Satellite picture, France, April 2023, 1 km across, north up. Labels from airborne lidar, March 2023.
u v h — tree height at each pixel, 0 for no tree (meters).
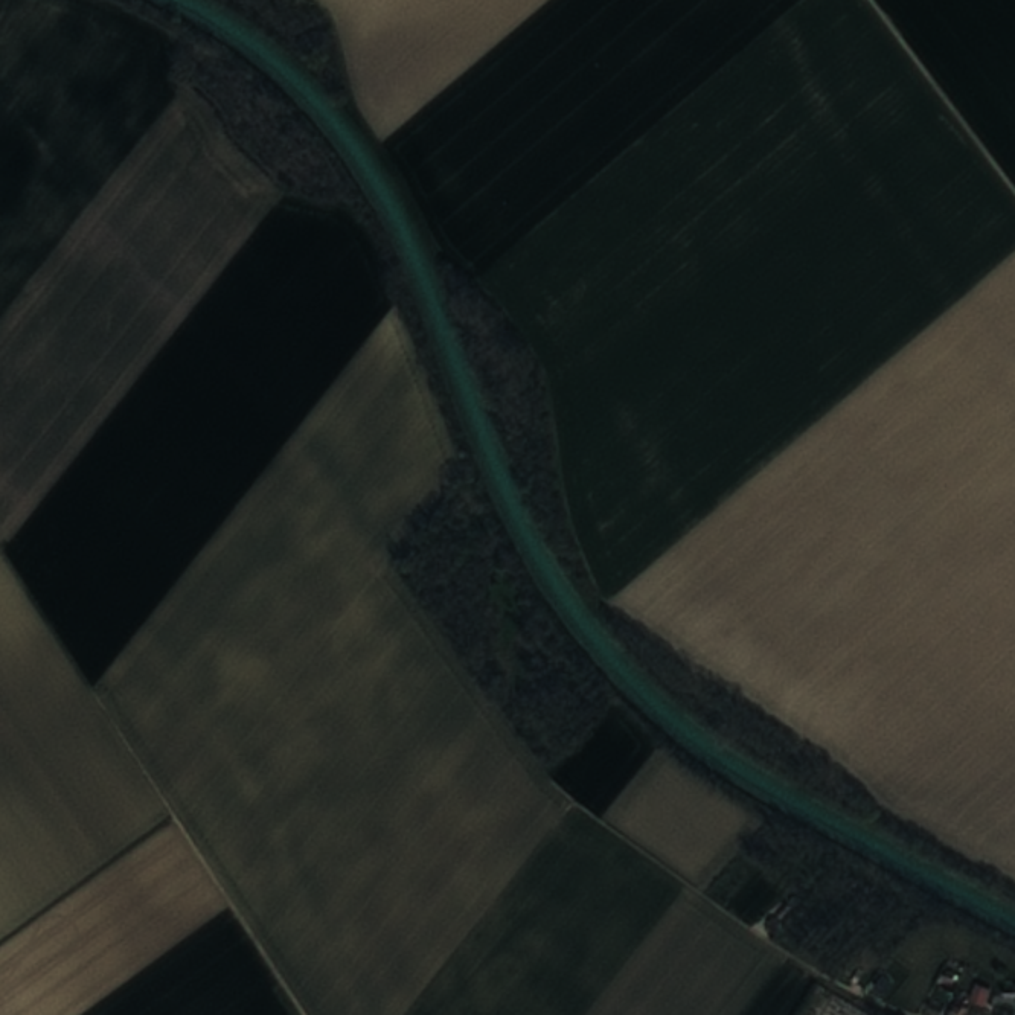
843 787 23
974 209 0
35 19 0
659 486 0
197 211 0
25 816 0
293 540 0
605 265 0
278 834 0
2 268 0
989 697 0
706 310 0
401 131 0
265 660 0
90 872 0
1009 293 0
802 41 0
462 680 0
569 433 0
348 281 0
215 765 0
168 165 0
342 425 0
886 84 0
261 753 0
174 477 0
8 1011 0
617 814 0
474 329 26
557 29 0
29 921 0
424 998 0
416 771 0
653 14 0
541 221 0
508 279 0
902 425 0
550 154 0
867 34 0
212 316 0
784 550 0
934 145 0
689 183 0
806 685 0
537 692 18
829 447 0
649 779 0
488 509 16
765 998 0
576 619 0
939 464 0
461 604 27
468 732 0
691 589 0
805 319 0
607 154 0
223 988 0
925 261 0
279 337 0
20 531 0
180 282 0
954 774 0
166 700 0
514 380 36
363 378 0
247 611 0
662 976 0
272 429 0
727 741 26
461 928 0
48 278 0
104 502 0
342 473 0
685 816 0
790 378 0
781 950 0
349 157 0
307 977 0
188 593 0
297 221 0
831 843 13
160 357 0
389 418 0
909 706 0
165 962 0
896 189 0
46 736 0
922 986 0
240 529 0
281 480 0
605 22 0
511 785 0
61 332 0
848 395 0
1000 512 0
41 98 0
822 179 0
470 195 0
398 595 0
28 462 0
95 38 0
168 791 0
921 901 19
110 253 0
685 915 0
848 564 0
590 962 0
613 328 0
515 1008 0
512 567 23
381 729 0
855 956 32
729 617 0
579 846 0
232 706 0
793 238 0
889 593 0
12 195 0
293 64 0
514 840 0
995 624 0
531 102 0
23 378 0
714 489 0
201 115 0
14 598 0
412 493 0
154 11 22
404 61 0
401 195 0
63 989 0
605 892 0
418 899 0
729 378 0
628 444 0
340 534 0
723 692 23
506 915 0
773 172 0
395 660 0
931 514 0
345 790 0
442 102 0
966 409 0
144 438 0
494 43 0
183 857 0
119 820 0
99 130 0
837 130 0
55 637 0
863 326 0
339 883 0
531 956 0
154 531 0
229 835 0
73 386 0
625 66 0
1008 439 0
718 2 0
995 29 0
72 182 0
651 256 0
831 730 0
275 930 0
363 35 0
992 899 0
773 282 0
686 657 0
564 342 0
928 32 0
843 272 0
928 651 0
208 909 0
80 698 0
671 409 0
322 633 0
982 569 0
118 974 0
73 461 0
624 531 0
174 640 0
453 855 0
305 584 0
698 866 0
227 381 0
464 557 31
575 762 0
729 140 0
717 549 0
